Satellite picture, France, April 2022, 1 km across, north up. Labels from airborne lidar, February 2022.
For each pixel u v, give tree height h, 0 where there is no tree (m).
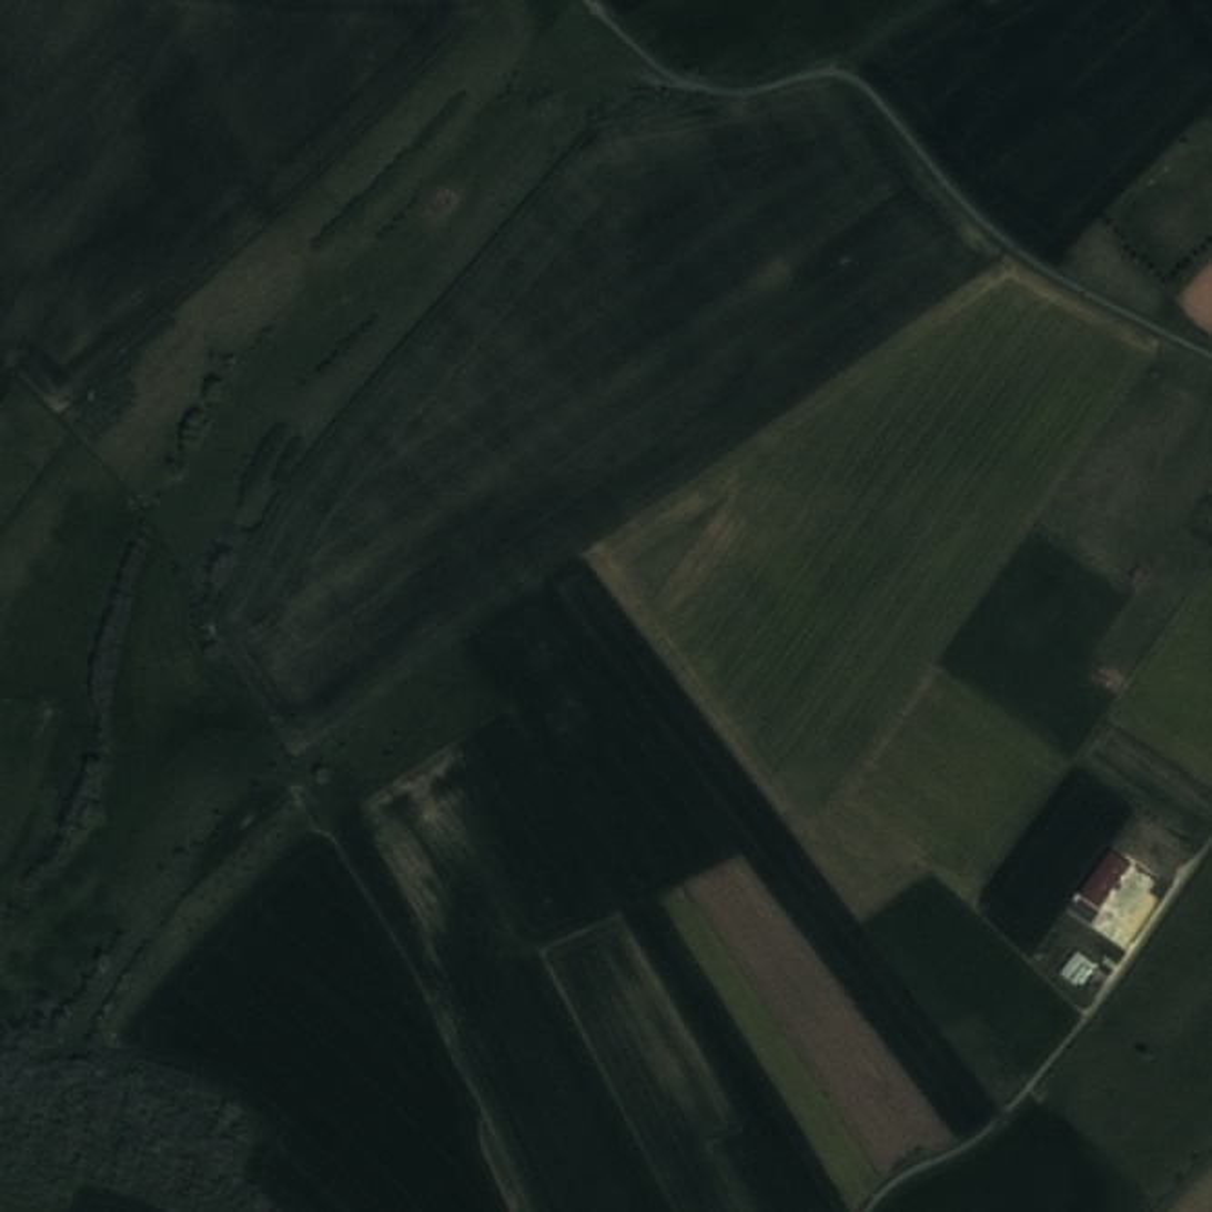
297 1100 0
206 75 0
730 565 0
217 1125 8
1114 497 0
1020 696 0
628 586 0
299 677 0
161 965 0
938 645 0
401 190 0
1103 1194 0
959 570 0
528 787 0
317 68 0
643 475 0
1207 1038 0
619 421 0
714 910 0
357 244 0
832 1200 0
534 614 0
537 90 0
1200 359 0
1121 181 0
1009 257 0
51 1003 17
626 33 0
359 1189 0
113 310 0
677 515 0
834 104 0
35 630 0
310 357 0
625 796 0
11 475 0
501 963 0
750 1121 0
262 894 0
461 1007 0
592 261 0
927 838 0
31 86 0
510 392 0
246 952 0
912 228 0
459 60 0
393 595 0
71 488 0
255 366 0
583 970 0
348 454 0
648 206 0
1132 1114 0
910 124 0
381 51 0
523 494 0
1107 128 0
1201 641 0
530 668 0
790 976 0
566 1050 0
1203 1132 0
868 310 0
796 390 0
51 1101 20
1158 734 0
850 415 0
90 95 0
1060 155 0
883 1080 0
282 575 0
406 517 0
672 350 0
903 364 0
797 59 0
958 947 0
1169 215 0
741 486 0
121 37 0
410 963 0
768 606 0
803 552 0
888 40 0
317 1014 0
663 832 0
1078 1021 0
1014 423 0
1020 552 0
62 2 0
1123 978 0
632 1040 0
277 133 0
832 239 0
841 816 0
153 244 0
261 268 0
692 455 0
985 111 0
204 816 0
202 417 17
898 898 0
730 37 0
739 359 0
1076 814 0
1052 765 0
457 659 0
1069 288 0
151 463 0
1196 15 0
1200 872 0
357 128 0
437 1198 0
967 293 0
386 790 0
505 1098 0
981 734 0
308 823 0
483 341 0
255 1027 0
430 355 0
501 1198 0
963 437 0
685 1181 0
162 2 0
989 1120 0
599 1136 0
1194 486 0
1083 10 0
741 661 0
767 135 0
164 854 0
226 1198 11
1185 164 0
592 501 0
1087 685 0
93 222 0
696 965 0
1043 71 0
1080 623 0
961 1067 0
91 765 14
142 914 0
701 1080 0
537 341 0
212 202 0
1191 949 0
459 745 0
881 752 0
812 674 0
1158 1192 0
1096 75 0
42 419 0
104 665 18
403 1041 0
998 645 0
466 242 0
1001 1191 0
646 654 0
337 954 0
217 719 0
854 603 0
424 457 0
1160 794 0
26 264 0
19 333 0
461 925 0
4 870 0
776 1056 0
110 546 0
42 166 0
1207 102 0
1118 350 0
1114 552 0
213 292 0
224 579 16
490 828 0
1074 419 0
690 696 0
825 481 0
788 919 0
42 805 0
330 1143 0
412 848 0
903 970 0
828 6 0
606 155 0
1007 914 0
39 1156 7
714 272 0
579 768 0
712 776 0
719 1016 0
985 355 0
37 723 0
